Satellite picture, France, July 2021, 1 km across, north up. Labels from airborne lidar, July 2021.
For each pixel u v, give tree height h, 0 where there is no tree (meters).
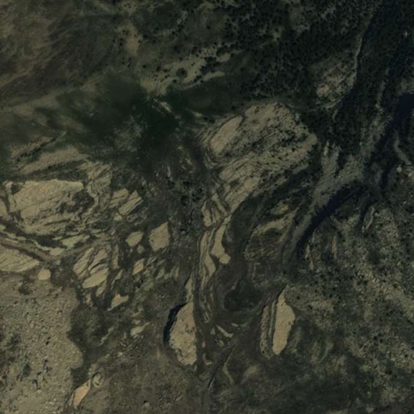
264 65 8
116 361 0
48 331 0
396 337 0
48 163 0
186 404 0
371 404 0
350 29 15
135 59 0
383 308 0
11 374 0
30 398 0
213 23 0
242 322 0
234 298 0
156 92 0
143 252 0
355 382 0
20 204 0
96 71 0
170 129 0
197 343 0
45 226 0
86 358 0
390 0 17
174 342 0
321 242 0
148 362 0
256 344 0
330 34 20
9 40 0
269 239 0
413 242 0
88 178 0
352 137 8
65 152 0
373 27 11
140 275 0
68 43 0
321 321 0
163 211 0
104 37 0
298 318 0
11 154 0
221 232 0
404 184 0
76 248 0
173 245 0
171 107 0
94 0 0
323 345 0
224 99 0
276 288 0
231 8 14
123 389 0
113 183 0
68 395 0
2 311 0
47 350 0
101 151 0
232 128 0
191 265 0
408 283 0
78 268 0
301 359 0
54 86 0
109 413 0
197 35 0
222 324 0
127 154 0
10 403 0
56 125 0
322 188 0
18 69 0
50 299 0
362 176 0
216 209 0
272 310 0
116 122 0
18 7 0
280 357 0
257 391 0
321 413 0
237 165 0
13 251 0
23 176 0
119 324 0
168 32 0
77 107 0
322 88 0
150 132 0
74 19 0
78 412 0
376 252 0
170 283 0
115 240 0
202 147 0
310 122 0
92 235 0
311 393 0
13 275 0
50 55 0
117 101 0
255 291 0
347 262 0
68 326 0
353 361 0
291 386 0
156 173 0
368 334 0
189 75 0
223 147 0
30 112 0
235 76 0
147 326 0
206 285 0
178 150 0
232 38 14
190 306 0
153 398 0
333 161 0
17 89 0
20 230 0
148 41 0
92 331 0
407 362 0
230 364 0
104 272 0
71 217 0
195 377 0
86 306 0
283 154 0
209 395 0
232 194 0
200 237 0
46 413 0
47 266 0
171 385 0
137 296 0
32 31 0
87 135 0
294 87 14
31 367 0
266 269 0
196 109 0
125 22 0
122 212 0
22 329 0
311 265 0
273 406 0
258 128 0
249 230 0
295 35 13
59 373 0
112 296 0
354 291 0
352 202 0
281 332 0
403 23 15
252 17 14
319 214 0
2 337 0
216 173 0
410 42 21
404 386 0
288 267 0
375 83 14
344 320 0
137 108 0
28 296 0
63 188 0
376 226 0
